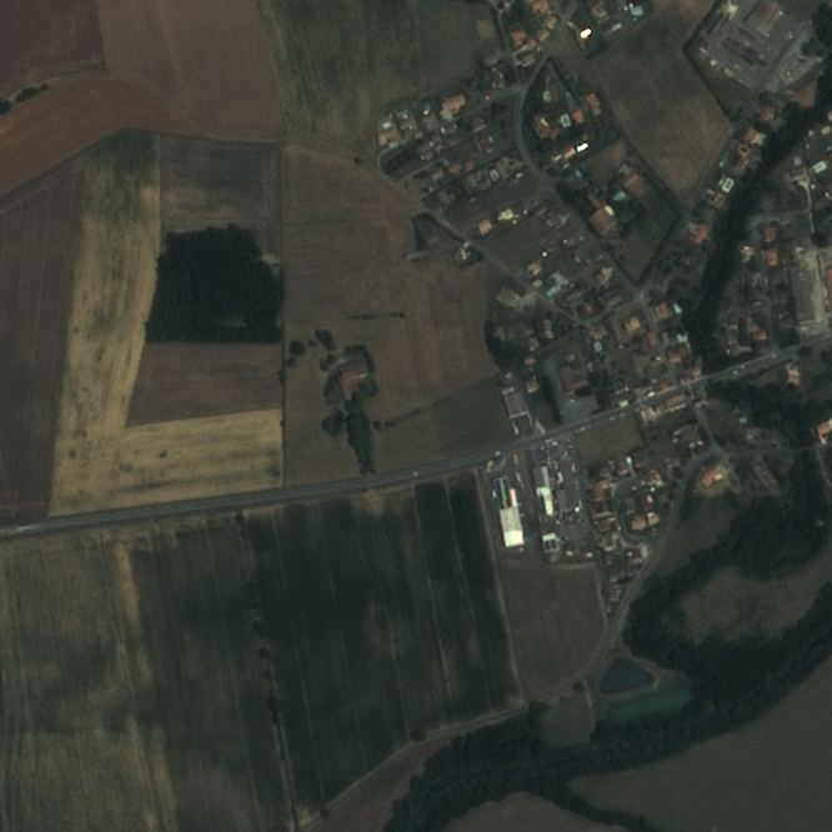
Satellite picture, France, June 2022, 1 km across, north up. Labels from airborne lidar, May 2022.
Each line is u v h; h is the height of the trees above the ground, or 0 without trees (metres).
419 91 0
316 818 0
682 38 0
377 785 0
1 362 0
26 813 0
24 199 0
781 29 0
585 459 0
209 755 0
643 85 0
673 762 0
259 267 14
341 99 0
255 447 0
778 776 0
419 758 0
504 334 0
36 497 0
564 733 0
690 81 0
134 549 0
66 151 0
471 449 0
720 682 10
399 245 0
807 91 0
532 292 0
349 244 0
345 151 0
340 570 0
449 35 0
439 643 0
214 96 0
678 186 0
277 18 0
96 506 0
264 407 0
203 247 15
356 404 17
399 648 0
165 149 0
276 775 0
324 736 0
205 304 18
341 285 0
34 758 0
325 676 0
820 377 7
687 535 0
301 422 0
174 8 0
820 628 18
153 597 0
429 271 0
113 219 0
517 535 0
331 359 9
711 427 0
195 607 0
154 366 0
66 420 0
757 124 8
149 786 0
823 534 8
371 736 0
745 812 0
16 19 0
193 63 0
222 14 0
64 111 0
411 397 0
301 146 0
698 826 0
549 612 0
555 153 0
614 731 26
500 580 0
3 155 0
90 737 0
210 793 0
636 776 0
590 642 0
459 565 0
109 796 0
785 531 22
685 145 0
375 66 0
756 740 0
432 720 0
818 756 0
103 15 0
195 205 0
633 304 0
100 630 0
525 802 0
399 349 0
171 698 0
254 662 0
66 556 0
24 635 0
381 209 0
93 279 0
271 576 0
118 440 0
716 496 0
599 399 6
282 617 0
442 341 0
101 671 0
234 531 0
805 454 14
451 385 0
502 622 0
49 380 0
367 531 0
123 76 0
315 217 0
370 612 0
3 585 0
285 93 0
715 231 6
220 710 0
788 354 0
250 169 0
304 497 0
